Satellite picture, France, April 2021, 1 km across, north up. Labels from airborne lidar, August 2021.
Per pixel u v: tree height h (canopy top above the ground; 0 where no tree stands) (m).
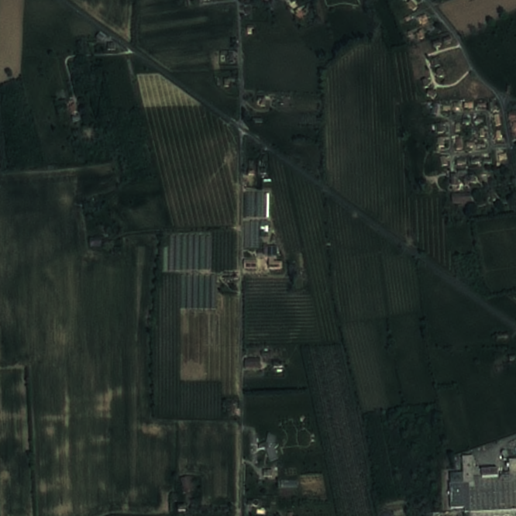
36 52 0
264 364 0
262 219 0
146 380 0
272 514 0
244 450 0
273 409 0
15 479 0
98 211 8
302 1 12
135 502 0
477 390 0
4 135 11
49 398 0
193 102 0
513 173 0
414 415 7
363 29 0
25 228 0
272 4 13
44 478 0
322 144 13
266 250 0
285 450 0
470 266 10
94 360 0
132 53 0
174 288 6
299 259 0
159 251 6
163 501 0
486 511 0
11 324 0
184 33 0
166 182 0
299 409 0
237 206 0
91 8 0
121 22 0
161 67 0
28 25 0
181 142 0
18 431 0
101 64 7
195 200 0
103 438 0
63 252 0
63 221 0
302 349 6
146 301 0
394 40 0
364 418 6
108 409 0
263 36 0
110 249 19
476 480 0
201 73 0
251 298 6
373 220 0
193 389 6
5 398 0
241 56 0
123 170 11
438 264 0
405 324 0
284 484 0
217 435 0
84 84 7
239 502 0
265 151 7
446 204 13
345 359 6
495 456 0
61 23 0
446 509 0
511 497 0
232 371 0
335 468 7
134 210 0
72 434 0
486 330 0
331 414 7
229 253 7
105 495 0
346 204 0
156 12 0
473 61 0
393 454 14
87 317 0
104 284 0
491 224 0
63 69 0
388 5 8
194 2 8
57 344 0
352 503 7
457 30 0
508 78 0
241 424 0
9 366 0
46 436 0
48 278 0
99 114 8
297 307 7
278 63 0
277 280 5
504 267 0
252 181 0
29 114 10
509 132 0
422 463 10
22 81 10
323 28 0
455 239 0
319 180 8
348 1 0
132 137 7
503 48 0
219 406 6
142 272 0
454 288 0
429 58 16
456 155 0
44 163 6
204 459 0
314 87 0
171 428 0
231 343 0
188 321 0
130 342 0
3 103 11
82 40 10
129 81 0
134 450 0
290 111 0
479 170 0
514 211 7
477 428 0
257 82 0
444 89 0
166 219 0
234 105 0
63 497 0
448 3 0
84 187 0
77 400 0
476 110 0
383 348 0
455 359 0
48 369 0
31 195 0
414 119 0
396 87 0
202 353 0
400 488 6
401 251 12
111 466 0
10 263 0
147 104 0
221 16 0
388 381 0
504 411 0
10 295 0
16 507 0
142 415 0
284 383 0
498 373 0
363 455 6
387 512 0
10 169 13
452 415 0
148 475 0
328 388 7
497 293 7
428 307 0
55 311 0
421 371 0
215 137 0
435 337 0
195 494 0
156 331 6
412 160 0
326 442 6
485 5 0
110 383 0
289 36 0
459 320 0
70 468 0
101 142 6
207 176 0
